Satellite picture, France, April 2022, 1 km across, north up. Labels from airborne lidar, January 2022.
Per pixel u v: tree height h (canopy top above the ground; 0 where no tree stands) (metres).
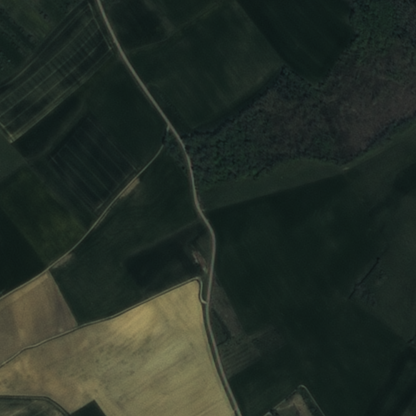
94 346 0
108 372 0
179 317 0
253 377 0
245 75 0
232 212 0
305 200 0
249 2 0
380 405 0
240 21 0
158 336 0
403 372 0
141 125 0
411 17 21
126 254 0
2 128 0
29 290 0
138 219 0
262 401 0
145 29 0
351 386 0
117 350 0
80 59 0
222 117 0
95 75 0
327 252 0
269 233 0
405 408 0
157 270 0
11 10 0
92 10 0
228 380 0
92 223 0
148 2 0
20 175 0
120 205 0
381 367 0
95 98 0
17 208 0
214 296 0
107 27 0
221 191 0
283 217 0
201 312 0
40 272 0
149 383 0
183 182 0
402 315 0
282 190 0
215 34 0
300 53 0
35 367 0
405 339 0
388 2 17
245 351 0
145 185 0
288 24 0
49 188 0
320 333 0
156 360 0
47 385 0
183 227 0
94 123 0
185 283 0
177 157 23
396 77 20
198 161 28
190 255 0
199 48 0
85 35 0
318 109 19
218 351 0
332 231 0
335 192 0
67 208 0
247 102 0
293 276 0
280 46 0
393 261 0
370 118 0
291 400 9
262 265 0
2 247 0
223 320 0
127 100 0
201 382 0
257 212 0
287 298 0
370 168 0
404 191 0
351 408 0
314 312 0
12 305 0
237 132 23
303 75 0
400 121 10
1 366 0
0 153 0
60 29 0
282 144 22
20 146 0
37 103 0
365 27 15
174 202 0
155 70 0
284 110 0
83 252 0
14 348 0
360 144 0
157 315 0
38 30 0
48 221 0
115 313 0
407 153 0
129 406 0
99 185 0
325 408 0
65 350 0
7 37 7
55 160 0
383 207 0
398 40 28
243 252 0
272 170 16
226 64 0
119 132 0
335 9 0
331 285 0
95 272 0
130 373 0
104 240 0
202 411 0
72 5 8
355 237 0
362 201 0
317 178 0
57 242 0
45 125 0
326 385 0
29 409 0
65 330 0
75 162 0
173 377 0
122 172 0
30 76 0
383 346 0
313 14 0
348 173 0
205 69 0
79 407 0
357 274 0
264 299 0
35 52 0
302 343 0
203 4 0
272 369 0
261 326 0
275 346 0
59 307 0
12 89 0
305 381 0
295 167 0
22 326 0
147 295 0
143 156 0
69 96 0
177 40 0
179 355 0
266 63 0
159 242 0
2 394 0
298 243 0
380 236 0
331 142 19
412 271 0
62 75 0
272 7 0
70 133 0
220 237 0
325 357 0
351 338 0
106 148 0
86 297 0
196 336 0
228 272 0
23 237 0
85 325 0
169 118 0
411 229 0
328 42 0
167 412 0
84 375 0
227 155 30
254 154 26
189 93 0
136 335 0
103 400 0
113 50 0
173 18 0
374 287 0
